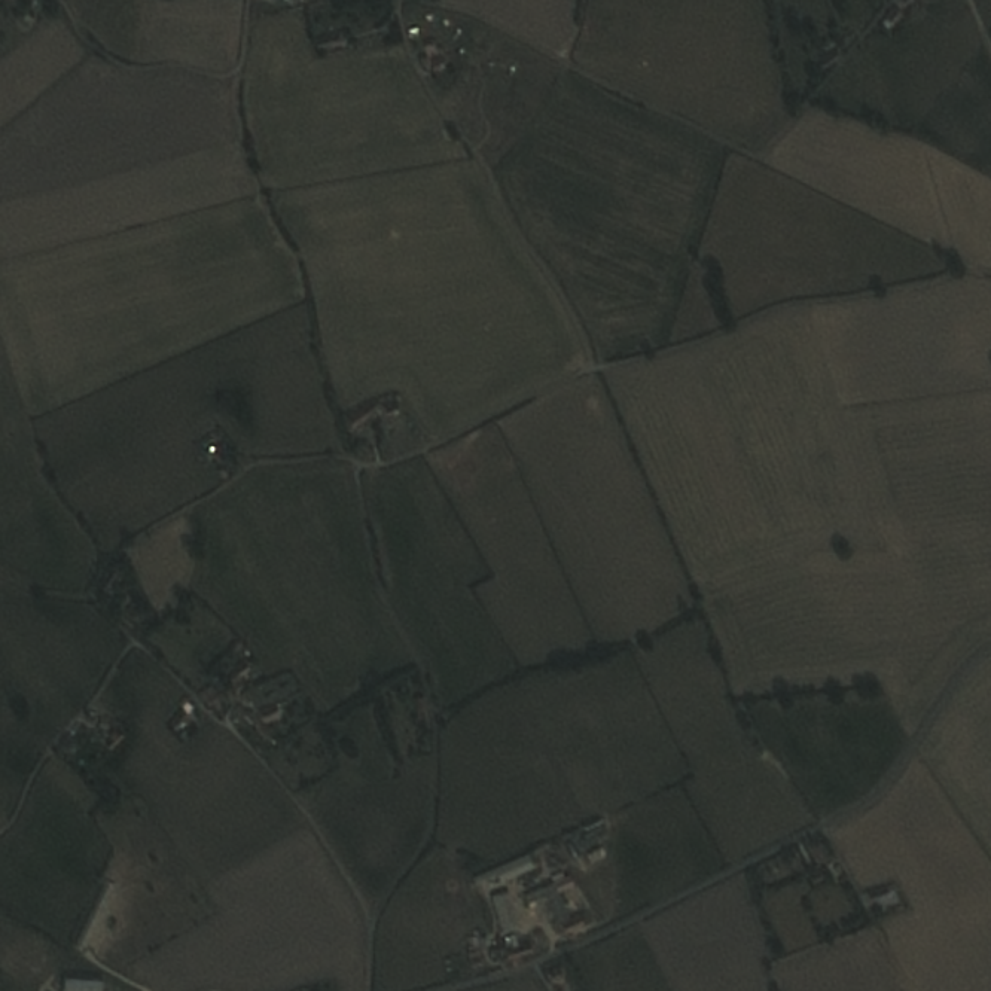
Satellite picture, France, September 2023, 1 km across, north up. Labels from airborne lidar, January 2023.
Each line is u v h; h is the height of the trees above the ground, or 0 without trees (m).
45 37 0
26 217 0
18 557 0
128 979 0
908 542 0
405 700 10
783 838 0
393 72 0
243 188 0
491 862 0
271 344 0
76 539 0
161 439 0
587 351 0
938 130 0
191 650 0
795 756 0
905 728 0
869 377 0
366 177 0
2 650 0
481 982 0
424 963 0
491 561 0
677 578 0
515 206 0
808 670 0
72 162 0
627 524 0
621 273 0
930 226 0
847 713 0
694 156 0
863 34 0
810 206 0
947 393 0
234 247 0
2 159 0
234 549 0
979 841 0
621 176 0
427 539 0
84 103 0
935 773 0
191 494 0
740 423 0
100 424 0
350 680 0
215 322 0
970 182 0
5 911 0
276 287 0
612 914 0
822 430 0
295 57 0
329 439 0
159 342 0
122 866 0
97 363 0
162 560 0
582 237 0
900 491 0
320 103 0
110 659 0
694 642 0
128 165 0
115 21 0
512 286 0
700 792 0
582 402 0
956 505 0
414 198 0
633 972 0
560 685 0
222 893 0
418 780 0
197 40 0
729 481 0
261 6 0
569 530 0
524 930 0
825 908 0
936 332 0
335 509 0
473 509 0
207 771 0
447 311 0
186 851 0
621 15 0
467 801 0
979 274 0
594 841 0
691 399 0
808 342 0
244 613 0
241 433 0
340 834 0
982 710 0
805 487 0
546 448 0
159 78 0
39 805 0
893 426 0
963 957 0
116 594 12
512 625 0
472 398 0
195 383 0
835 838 0
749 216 0
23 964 0
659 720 0
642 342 0
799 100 11
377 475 0
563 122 0
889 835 0
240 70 0
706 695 0
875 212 0
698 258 12
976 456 0
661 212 0
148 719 0
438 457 0
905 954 0
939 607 0
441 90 0
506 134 0
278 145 0
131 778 0
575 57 0
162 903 0
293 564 0
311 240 0
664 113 0
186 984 0
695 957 0
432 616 0
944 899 0
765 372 0
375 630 0
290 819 0
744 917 0
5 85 0
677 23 0
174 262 0
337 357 0
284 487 0
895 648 0
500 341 0
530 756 0
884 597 0
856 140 0
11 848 0
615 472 0
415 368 0
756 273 0
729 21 0
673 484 0
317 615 0
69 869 0
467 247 0
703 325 0
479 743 0
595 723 0
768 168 0
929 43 0
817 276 0
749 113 0
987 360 0
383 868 0
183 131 0
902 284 0
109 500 0
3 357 0
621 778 0
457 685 0
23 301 0
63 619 0
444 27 0
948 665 0
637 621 0
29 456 0
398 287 0
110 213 0
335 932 0
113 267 0
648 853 0
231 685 8
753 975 0
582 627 0
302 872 0
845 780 0
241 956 0
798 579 0
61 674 0
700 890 0
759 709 0
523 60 0
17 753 0
